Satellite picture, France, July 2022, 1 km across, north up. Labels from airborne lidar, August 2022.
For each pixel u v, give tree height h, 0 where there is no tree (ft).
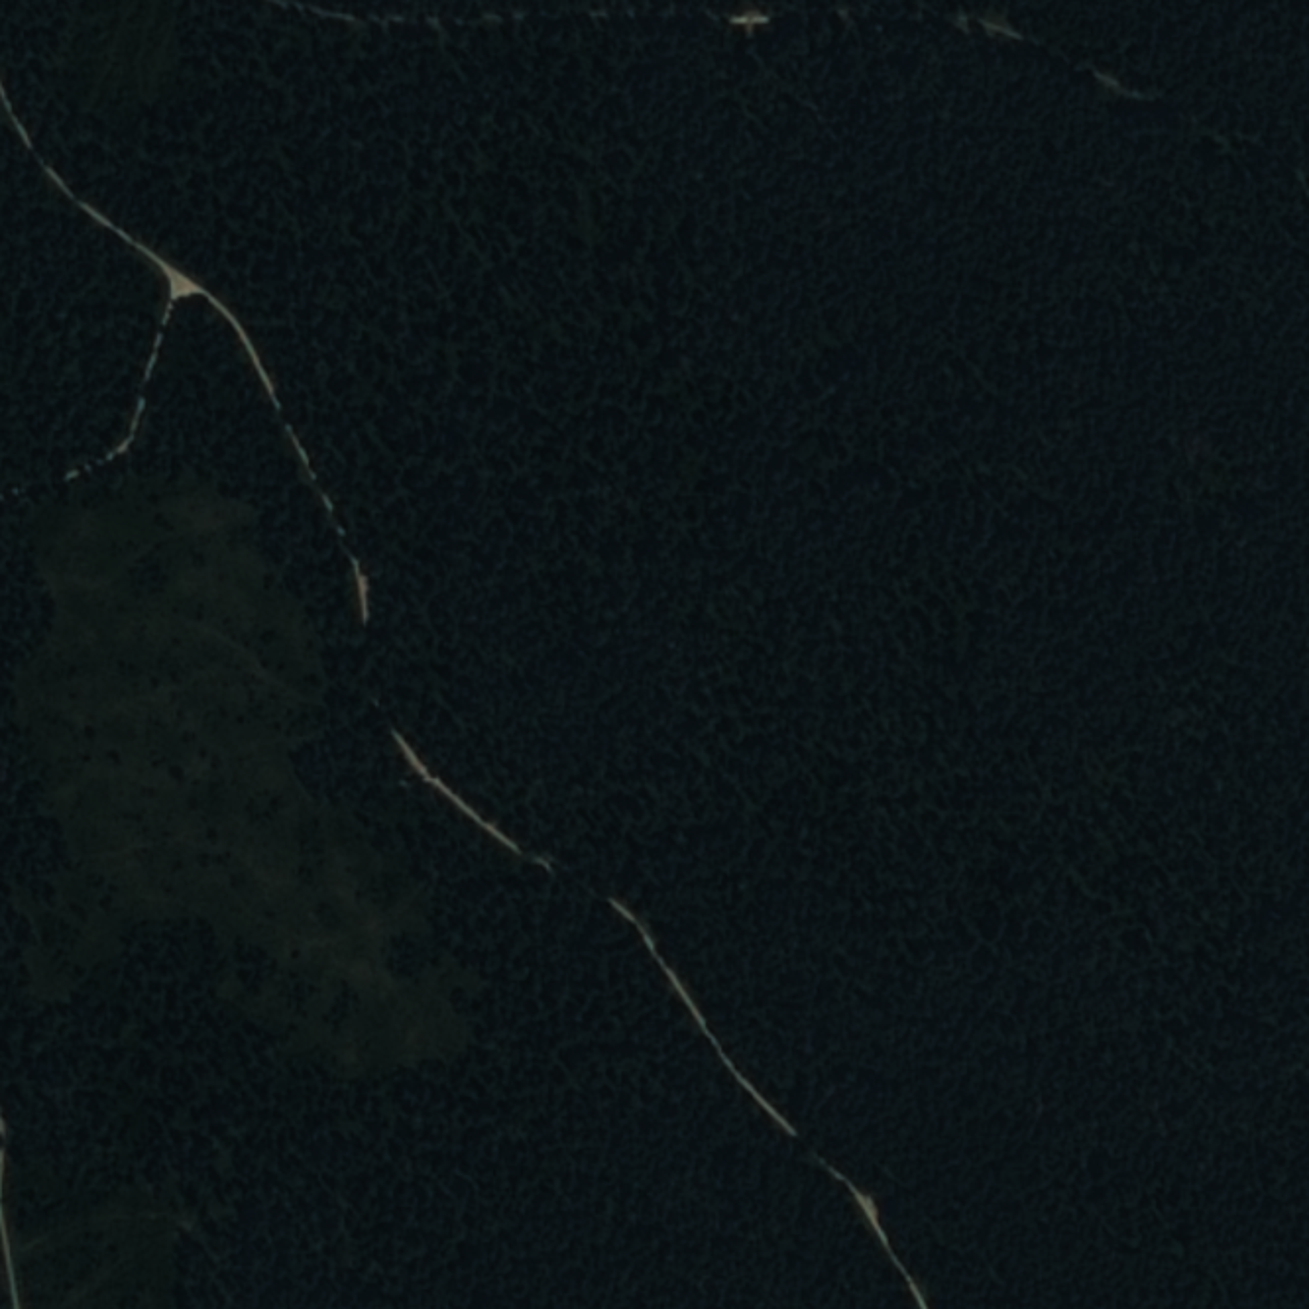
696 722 99
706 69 90
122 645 0
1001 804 84
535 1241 74
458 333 71
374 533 49
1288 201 103
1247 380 95
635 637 87
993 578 92
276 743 0
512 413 70
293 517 54
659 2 70
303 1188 34
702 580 103
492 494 86
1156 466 90
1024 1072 89
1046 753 106
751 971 85
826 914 72
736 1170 88
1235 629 96
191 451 59
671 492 24
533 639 91
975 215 91
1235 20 103
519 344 60
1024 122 102
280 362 28
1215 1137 77
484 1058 68
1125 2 92
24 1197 26
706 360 93
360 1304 65
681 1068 81
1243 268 91
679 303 84
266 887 0
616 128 102
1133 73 25
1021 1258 81
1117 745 98
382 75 76
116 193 62
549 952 74
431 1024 0
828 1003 68
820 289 105
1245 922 25
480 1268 79
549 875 60
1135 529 99
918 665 87
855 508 104
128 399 58
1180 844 103
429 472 28
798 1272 75
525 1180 60
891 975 97
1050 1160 88
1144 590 105
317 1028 0
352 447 52
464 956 71
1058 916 106
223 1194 118
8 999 25
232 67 40
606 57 44
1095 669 100
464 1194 60
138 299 19
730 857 88
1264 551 84
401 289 27
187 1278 66
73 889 0
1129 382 92
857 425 88
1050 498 28
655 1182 84
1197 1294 97
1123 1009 103
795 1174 73
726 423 38
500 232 28
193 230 60
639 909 65
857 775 100
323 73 32
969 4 74
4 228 58
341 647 25
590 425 71
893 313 93
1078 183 100
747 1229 77
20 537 65
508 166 50
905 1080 88
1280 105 96
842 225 99
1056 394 109
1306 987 98
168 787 0
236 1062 21
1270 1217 78
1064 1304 94
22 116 47
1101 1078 67
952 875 91
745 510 100
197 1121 75
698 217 92
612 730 115
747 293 96
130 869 0
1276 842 104
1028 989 88
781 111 97
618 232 28
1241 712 94
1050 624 98
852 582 94
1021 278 93
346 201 60
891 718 92
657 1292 84
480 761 55
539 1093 73
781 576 108
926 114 87
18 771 50
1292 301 96
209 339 73
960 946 95
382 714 64
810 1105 84
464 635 38
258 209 59
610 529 20
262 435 57
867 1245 68
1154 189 92
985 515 98
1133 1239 76
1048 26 64
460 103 75
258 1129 44
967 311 106
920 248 84
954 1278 99
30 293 40
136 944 21
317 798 62
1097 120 112
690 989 73
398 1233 73
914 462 104
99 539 0
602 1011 60
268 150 54
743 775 89
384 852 76
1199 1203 96
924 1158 78
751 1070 51
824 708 87
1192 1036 107
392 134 22
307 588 65
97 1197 35
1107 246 101
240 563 0
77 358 48
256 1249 110
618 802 102
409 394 41
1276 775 94
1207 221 92
